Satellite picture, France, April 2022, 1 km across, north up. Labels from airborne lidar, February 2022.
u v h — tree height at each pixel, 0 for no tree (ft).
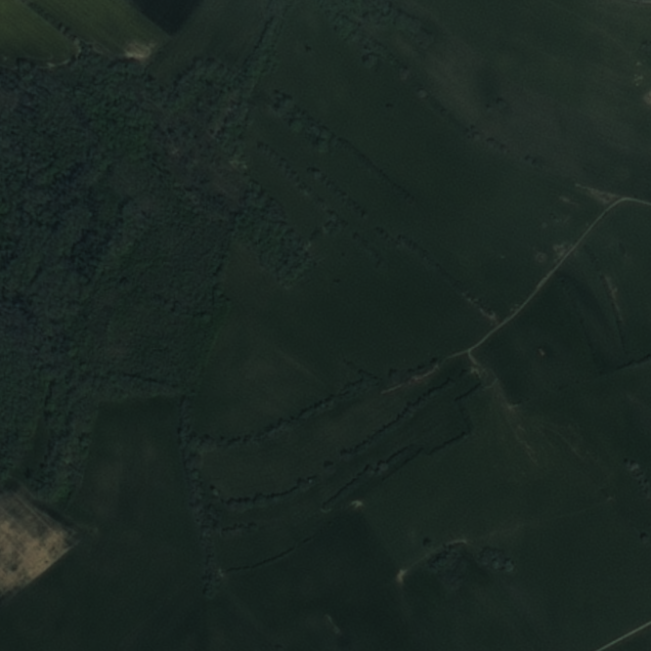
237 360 0
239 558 0
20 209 35
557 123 0
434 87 0
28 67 55
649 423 0
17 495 0
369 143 0
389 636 0
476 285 0
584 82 0
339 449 0
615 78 0
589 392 0
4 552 0
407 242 21
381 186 0
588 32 0
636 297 0
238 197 0
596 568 0
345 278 0
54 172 63
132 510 0
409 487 0
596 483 0
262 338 0
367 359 0
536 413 0
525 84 0
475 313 0
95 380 88
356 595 0
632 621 0
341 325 0
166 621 0
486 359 0
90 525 0
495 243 0
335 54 0
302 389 0
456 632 0
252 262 0
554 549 0
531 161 39
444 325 0
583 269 0
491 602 0
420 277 0
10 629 0
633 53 0
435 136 0
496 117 0
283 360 0
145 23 0
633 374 0
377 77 0
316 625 0
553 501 0
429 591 0
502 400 0
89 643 0
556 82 0
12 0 0
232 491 0
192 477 54
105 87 64
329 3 63
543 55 0
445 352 0
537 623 0
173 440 0
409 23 61
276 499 46
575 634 0
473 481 0
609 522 0
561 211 0
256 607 0
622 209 0
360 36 45
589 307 0
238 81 36
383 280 0
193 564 0
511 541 0
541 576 0
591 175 0
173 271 25
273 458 0
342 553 0
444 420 0
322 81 0
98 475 0
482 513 0
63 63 0
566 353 0
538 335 0
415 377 0
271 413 0
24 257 85
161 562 0
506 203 0
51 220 76
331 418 0
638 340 0
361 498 0
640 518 0
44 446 0
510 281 0
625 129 0
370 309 0
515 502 0
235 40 0
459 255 0
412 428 0
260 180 0
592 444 0
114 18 0
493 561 27
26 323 95
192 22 0
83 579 0
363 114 0
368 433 0
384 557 0
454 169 0
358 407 0
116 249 83
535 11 0
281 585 0
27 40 0
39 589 0
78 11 0
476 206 0
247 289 0
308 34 0
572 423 0
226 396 0
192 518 0
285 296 0
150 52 0
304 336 0
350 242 0
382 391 0
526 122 0
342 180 0
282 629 0
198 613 0
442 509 0
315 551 0
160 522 0
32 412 77
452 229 0
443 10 0
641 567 0
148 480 0
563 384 0
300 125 54
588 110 0
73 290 86
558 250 0
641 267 0
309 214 0
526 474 0
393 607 0
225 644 0
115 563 0
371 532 0
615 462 0
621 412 0
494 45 0
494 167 0
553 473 0
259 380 0
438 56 0
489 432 0
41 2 0
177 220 34
